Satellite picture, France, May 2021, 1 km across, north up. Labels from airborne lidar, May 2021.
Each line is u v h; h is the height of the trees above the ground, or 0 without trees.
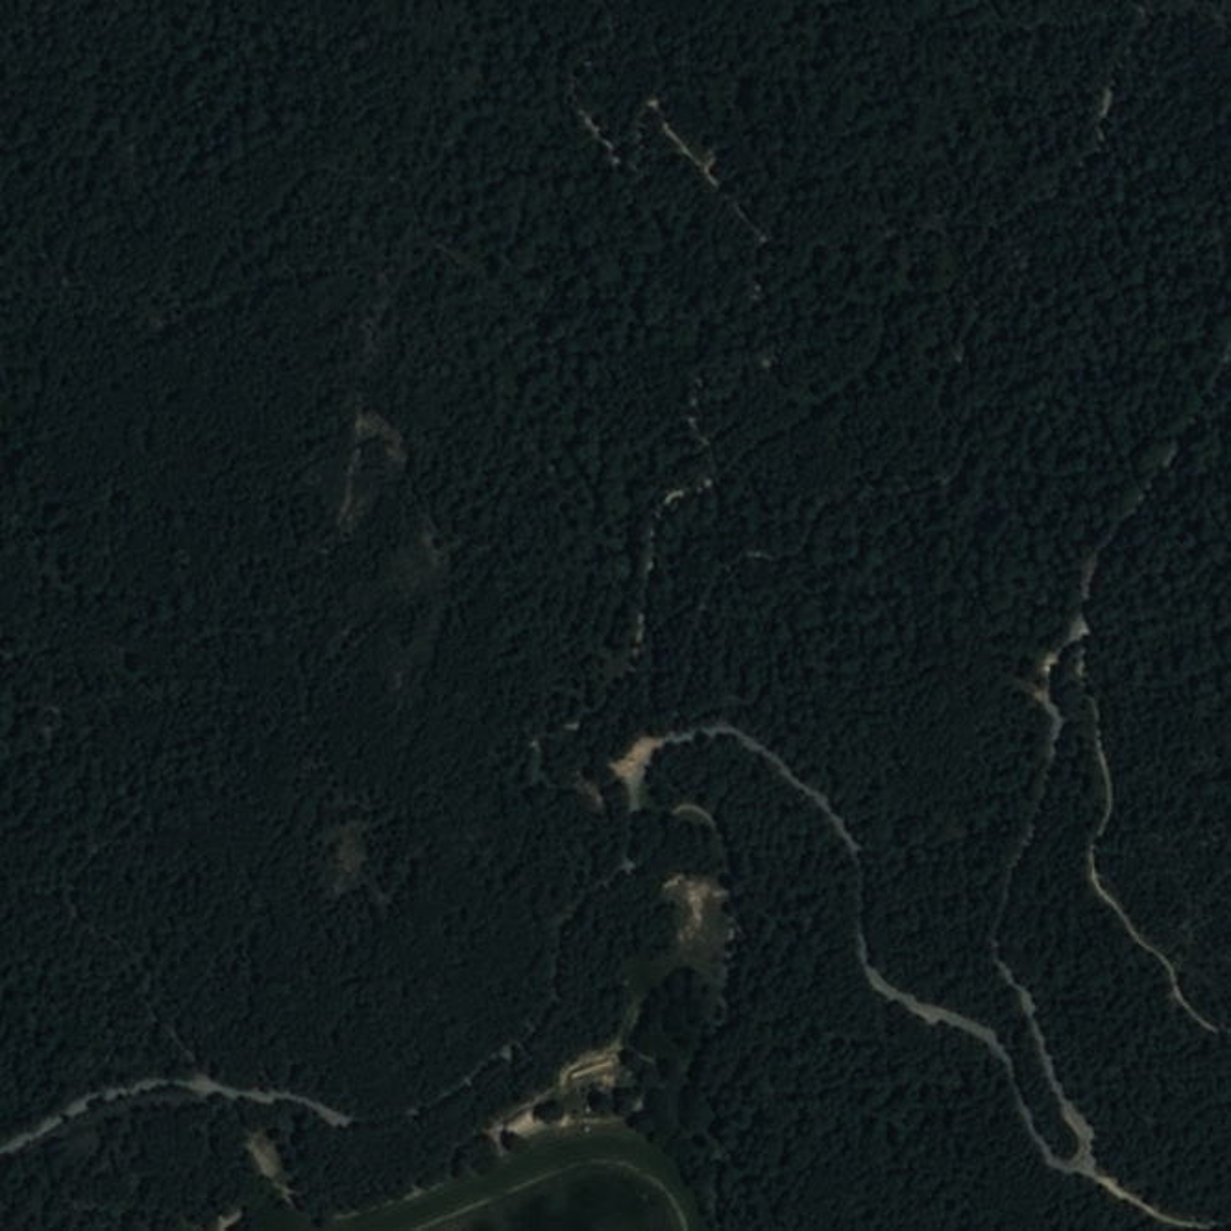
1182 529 17
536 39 31
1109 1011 14
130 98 26
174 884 15
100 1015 16
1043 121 21
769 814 29
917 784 21
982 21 29
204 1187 22
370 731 17
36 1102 19
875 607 26
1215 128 10
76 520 23
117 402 18
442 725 19
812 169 29
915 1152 26
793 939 15
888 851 27
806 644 26
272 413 26
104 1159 11
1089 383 22
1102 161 18
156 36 29
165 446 24
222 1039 19
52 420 21
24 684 19
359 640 12
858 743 21
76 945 19
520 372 8
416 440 13
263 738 17
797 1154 29
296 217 19
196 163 7
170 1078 14
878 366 16
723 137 19
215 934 19
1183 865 11
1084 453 19
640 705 27
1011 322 15
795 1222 22
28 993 7
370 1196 22
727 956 10
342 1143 19
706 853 26
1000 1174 24
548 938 22
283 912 18
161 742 19
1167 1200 13
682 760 26
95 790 23
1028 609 25
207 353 24
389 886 16
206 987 18
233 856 18
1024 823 22
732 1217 20
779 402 28
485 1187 0
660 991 15
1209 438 28
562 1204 0
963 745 20
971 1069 25
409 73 15
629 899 26
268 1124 23
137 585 20
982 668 22
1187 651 26
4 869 17
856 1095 14
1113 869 14
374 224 13
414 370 15
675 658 22
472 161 37
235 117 29
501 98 24
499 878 19
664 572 15
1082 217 26
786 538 20
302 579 17
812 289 25
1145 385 23
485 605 16
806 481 21
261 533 19
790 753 29
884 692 18
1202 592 17
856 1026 21
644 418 27
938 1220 21
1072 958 18
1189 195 26
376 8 17
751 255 30
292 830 15
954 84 20
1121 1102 17
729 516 15
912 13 21
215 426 24
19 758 6
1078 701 29
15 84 21
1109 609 16
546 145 21
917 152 29
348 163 11
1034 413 23
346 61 26
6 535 19
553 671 26
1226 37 18
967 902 23
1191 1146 15
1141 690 13
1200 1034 10
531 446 19
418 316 12
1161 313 21
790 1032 24
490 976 11
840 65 20
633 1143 0
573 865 19
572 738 24
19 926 18
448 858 19
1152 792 11
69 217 19
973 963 16
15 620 25
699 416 18
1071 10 19
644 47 25
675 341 22
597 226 27
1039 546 29
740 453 20
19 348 22
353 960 21
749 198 23
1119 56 16
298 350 23
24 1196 20
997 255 20
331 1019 23
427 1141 26
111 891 19
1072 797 18
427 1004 17
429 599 13
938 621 20
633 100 19
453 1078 16
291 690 16
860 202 28
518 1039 17
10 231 19
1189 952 14
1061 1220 22
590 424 24
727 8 15
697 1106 29
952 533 24
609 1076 0
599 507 8
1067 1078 17
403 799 17
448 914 17
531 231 26
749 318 22
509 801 20
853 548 27
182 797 16
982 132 21
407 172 18
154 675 19
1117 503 21
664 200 31
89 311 21
